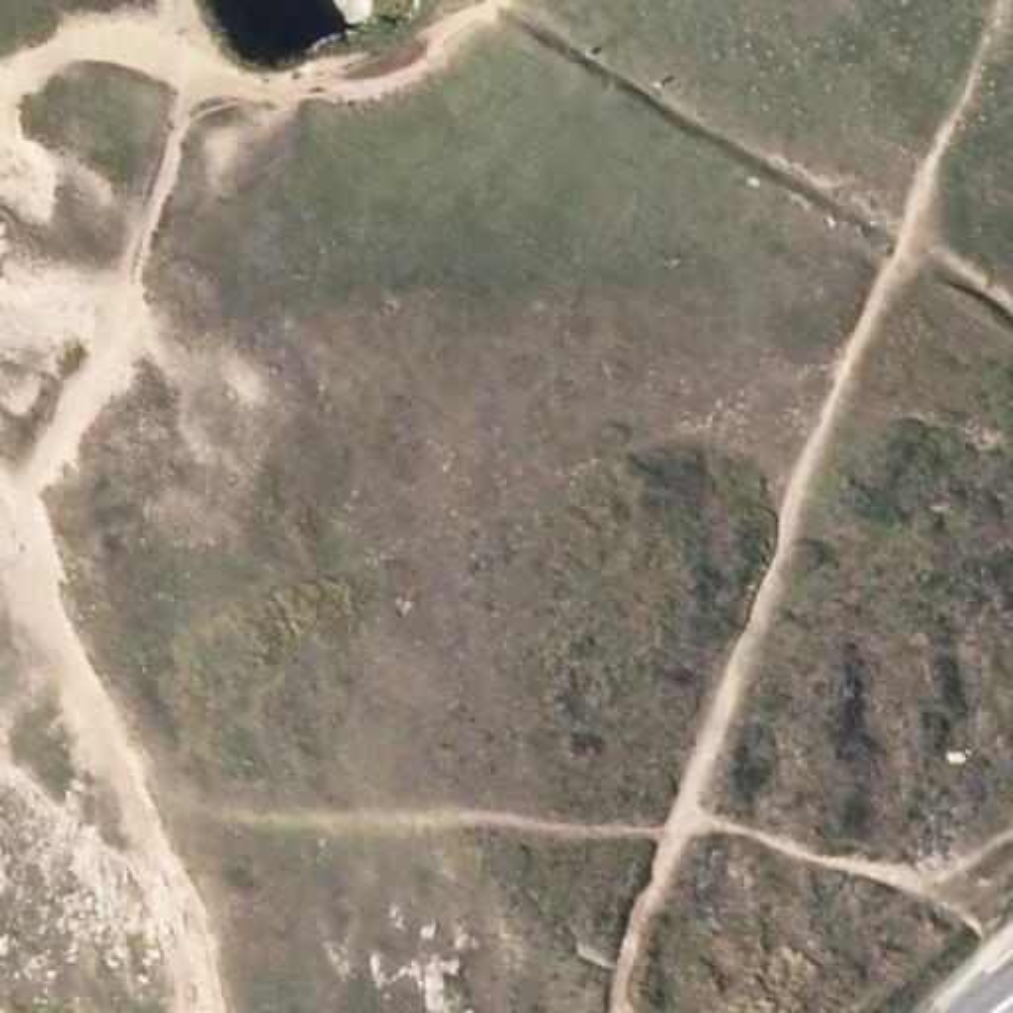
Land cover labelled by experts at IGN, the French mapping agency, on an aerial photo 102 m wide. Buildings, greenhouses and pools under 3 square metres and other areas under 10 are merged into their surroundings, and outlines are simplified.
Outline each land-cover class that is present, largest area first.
<instances>
[{"label":"bare soil","instance_id":"1","mask_svg":"<svg viewBox=\"0 0 1013 1013\"><path fill-rule=\"evenodd\" d=\"M154 0H0V59L20 47L51 40L67 16L150 8ZM222 47L253 71H281L340 51L384 55L392 47H404L412 36L427 32L439 16L455 12L459 0H198ZM174 87L123 63L83 59L63 67L44 83V91L20 99V127L44 150L75 154L87 166H95L115 190L111 206H95L79 186L67 182L55 186V206L47 222H32L12 202H0V277H8L16 261L111 269L119 261L127 245V218L142 198H150L158 182ZM645 91L689 119L700 103L689 99L681 87L653 79ZM293 111L273 99H202L194 107V123L182 142L178 182L170 194L210 214L218 194L233 190L237 154H245L253 142H265L269 131L289 123ZM740 218L776 226L783 241L827 233L835 245L871 257L878 269L894 253L890 230L871 226L859 210L807 186L803 178L787 174L783 186H772L752 174ZM142 289L154 317H166L158 324L166 348L154 360L135 364V388L107 400V408L79 439V459L63 467L59 483L44 487V510L63 562L59 594L67 617L79 641L87 645L91 669L119 700L131 740L142 748L150 736H178V744L194 752L182 776L206 799L245 803L253 811L495 807L558 819L554 783L542 780V772L534 768V752L526 744L530 732H538L534 700L510 692L495 677V653H514L507 641H487L491 625L507 621V601L483 609V578L467 574V566L483 558L495 542V522L530 514L534 522H542L538 491L558 483L570 491V503H578L586 475L598 471L594 427L601 419H625L633 435L653 431L661 447L692 439L700 447L744 455L768 471L772 499L780 503L791 467L803 451V439L823 408L831 364H791L768 336L740 332L708 364H692L685 356L653 360L645 368V380L637 384L617 380L609 364L617 332L570 336L562 348H554V336L538 328H510L507 336L435 332V324L447 313L439 289L384 293V309L301 305L293 317L269 321L253 309L245 293L226 305L214 293L210 277L178 265L174 257L150 253ZM950 273L942 265H926L894 289L871 344L863 348L847 404L831 427L827 451L811 475L799 534L819 538L827 546L835 538L863 542L867 530L859 526V514L843 503L851 487L839 467L847 459H867L871 451H882L898 419H918L934 427L938 408L962 404L958 376L942 368L950 356H1009L1013 364V336L958 289H946ZM87 364V352L83 344H40L20 348V360H8L0 348V463H28L40 431L55 419L63 388ZM24 673L20 649L12 641L8 582L0 570V700L12 696ZM12 760L51 791V799H75L79 819L99 831L107 847L127 851L131 839L123 831L119 795L103 776L71 764V732L63 724V712L55 704H36L12 724ZM79 886L75 859L55 851L44 815L28 811V803L16 799L12 787L0 783V1013H166V962L146 966V934H127V962H119L115 969L107 966V942H87L75 962H67L71 934L59 930V910L63 898ZM653 839H554L522 835L510 827L332 835L317 827L269 831L233 823L222 835V847L214 851V863L222 867L218 882L237 890L230 922L218 930V973L226 985L230 1013H613V973L629 930V914L653 878ZM981 946L973 930H966L962 922H954L950 914H942L910 890H898L867 875L795 863L756 839L708 831L689 839L673 871L669 894L649 922L633 969L641 993L633 1013H918V1005L930 1001ZM954 898H962L977 918H997L1005 926L1013 922V867L989 878H981V871L969 867L966 875L946 882Z\"/></svg>","mask_w":1013,"mask_h":1013},{"label":"herbaceous vegetation","instance_id":"2","mask_svg":"<svg viewBox=\"0 0 1013 1013\"><path fill-rule=\"evenodd\" d=\"M993 0H562L554 16L570 24L566 44L645 91L653 79L681 87L689 99L700 103L689 119L756 158H768L772 146H780L791 158L819 166L823 174H855L871 206L902 218L918 162L966 79L969 55L981 40ZM538 24L514 16L510 8L499 16L495 28L475 32L443 71L419 79L408 91H392L384 99H305L293 111L289 123L269 131L265 142H253L245 154H237L233 190L218 194L210 214L170 194L150 237V253L174 257L178 265L210 277L214 293L226 305L245 293L253 309L269 321L293 317L301 305L384 309V293L439 289L447 313L435 324V332L507 336L510 328H538L554 336V348H562L570 336L617 332L609 364L617 380L637 384L645 380V368L653 360L685 356L692 364H708L740 332L768 336L791 364H831L863 317L878 269L871 257L835 245L827 233L783 241L776 226L740 218L752 174L736 162H724L716 150L669 131L613 87H601L574 63L538 47L530 36ZM946 245L1013 289V20L1005 32V55L989 63L977 99L966 115V127L954 135L942 158L930 206ZM942 368L958 376L962 404L938 408L934 427L918 419H898L882 451H871L867 459H847L839 467L851 487L843 503L859 514V526L867 530L863 542L835 538L827 546L819 538L799 534L791 566L780 586L776 613L756 649L752 673L744 681L728 728V752L720 756L708 780V791L716 795V815H732L740 823L791 835L827 855H859L902 867L926 855L969 851L977 839L1013 823V364L1009 356H950ZM598 471L586 475L578 503H570V491L558 483L538 491L542 522H534L530 514L495 522V542L483 558L467 566V574L483 578V609L507 601V621L491 625L487 641H507L514 653H495V677L510 692L534 700L538 732H530L526 744L534 752V768L542 772V780L554 783L558 819L669 823L708 700L724 677L728 649L752 617L756 586L776 550L780 503L772 499L768 471L744 455L700 447L692 439L661 447L653 431L633 435L625 419H601L594 427Z\"/></svg>","mask_w":1013,"mask_h":1013},{"label":"pervious surface","instance_id":"3","mask_svg":"<svg viewBox=\"0 0 1013 1013\"><path fill-rule=\"evenodd\" d=\"M562 0H459L455 12L439 16L427 32L412 36L404 47H392L384 55L340 51L281 71H253L222 47L198 0H154L150 8L67 16L51 40L20 47L0 59V202H12L32 222H47L55 206V186L67 182L79 186L95 206H111L115 190L95 166H87L75 154L44 150L20 127V99L44 91V83L63 67L83 59L123 63L174 87L158 182L150 198H142L127 218V245L119 261L111 269L16 261L8 277H0V348L8 360H20V348L40 344H83L87 352V364L63 388L55 419L40 431L28 463H0V570L8 582L12 641L20 649L24 673L12 696L0 700V783L12 787L16 799L28 803V811L44 815L55 851L75 859L79 886L63 898L59 910V930L71 934L67 962H75L87 942H107V966L115 969L119 962H127V934H146V966L166 962V1013H230L226 985L218 973V930L230 922L237 890L218 882L222 867L214 863V851L222 847V835L233 823L269 831L317 827L332 835L510 827L522 835L554 839H653V878L629 914V930L613 973V1013H633L641 993L633 969L649 922L669 894L673 871L689 839L708 831L756 839L795 863L867 875L898 890H910L942 914H950L954 922H962L966 930H973L981 946L993 942L1005 926L997 918H977L962 898H954L946 882L966 875L969 867L981 871V878H989L1013 867V823L977 839L969 851L926 855L902 867L859 855H827L791 835L740 823L732 815H716V795L708 791V780L720 756L728 752V728L744 681L752 673L756 649L776 613L780 586L791 566L799 534L811 475L827 451L831 427L847 404L863 348L871 344L894 289L926 265H942L950 273L977 285L1013 313V289L946 245L930 206L942 158L954 135L966 127V115L977 99L989 63L1005 55V32L1013 20V0H993L981 40L969 55L966 79L918 162L902 218L871 206L855 174H823L819 166L791 158L780 146H772L768 158H756L689 119L645 91L566 44L570 24L554 16ZM510 8L514 16L538 24L530 36L538 47L574 63L601 87H613L669 131L716 150L724 162H736L752 174L772 186H783L787 174L803 178L807 186L859 210L871 226L890 230L894 253L878 269L863 317L831 364L823 408L803 439V451L791 467L780 503L776 550L756 586L752 617L728 649L724 677L708 700L669 823L558 819L495 807L253 811L245 803L206 799L182 776L194 752L178 744V736H150L142 748L131 740L119 700L91 669L87 645L79 641L67 617L59 594L63 562L44 510V487L59 483L63 467L79 459V439L107 408V400L135 388V364L154 360L166 348L158 324L166 317H154L142 289L150 253V237L170 194L178 182L182 142L194 123V107L202 99H273L293 111L305 99H384L392 91H408L419 79L443 71L475 32L495 28L499 16ZM36 704H55L63 712V724L71 732V764L103 776L119 795L123 831L131 839L127 851L107 847L99 831L79 819L75 799H51V791L12 760V724Z\"/></svg>","mask_w":1013,"mask_h":1013},{"label":"impervious surface","instance_id":"4","mask_svg":"<svg viewBox=\"0 0 1013 1013\"><path fill-rule=\"evenodd\" d=\"M918 1013H1013V922L1005 926L993 942L981 946L930 1001L918 1005Z\"/></svg>","mask_w":1013,"mask_h":1013},{"label":"brushwood","instance_id":"5","mask_svg":"<svg viewBox=\"0 0 1013 1013\"><path fill-rule=\"evenodd\" d=\"M946 289H958L1013 336V313L977 285L950 273Z\"/></svg>","mask_w":1013,"mask_h":1013}]
</instances>
